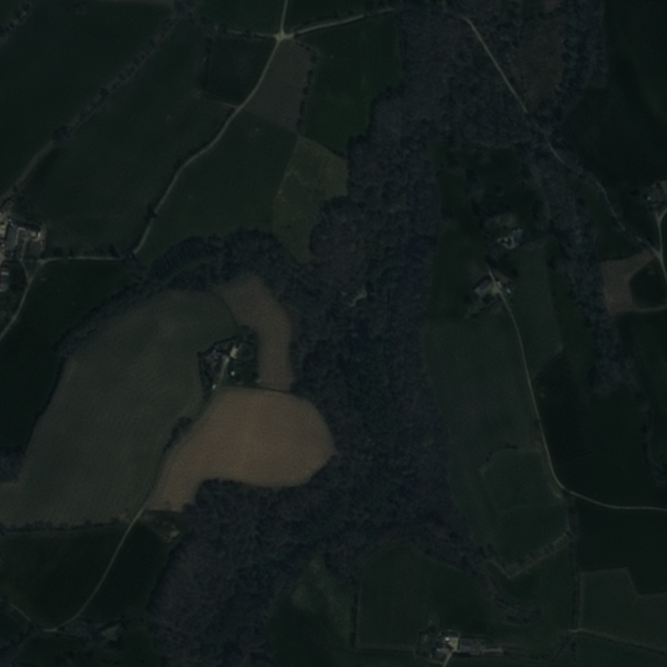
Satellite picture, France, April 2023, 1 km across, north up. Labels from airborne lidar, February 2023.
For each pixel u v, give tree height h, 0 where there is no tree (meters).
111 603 0
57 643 0
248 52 0
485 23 20
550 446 0
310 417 0
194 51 0
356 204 16
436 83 27
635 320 0
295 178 0
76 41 0
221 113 0
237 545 23
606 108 0
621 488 0
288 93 0
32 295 0
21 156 0
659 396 0
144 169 0
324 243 18
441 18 23
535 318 0
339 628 0
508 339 0
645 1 0
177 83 0
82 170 0
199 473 0
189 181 0
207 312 0
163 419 0
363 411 44
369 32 0
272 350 0
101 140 0
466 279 0
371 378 42
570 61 14
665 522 0
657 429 0
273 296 9
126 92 0
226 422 0
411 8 19
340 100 0
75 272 0
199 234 0
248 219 0
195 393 0
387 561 0
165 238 0
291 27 0
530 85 0
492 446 0
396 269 15
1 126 0
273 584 21
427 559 9
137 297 8
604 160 0
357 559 7
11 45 0
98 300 0
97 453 0
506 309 9
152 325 0
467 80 18
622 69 0
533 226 0
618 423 0
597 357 13
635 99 0
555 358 0
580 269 24
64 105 0
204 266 19
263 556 20
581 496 0
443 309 0
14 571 0
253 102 0
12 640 0
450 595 0
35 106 0
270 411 0
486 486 0
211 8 0
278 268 21
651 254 11
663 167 0
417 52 19
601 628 0
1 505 0
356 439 19
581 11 25
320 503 18
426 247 25
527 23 6
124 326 0
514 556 0
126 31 0
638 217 0
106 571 0
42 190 0
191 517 20
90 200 0
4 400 0
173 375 0
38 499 0
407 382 21
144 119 0
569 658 0
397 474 29
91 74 0
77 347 7
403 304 23
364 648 0
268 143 0
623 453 0
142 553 0
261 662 20
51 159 0
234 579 16
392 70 0
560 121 14
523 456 0
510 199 0
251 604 19
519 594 0
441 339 0
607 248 0
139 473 0
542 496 0
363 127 0
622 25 0
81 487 0
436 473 20
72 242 0
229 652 20
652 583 0
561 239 17
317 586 0
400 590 0
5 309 0
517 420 0
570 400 0
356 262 19
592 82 16
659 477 17
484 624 0
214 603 21
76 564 0
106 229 0
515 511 0
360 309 7
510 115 26
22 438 0
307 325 19
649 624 0
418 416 20
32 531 11
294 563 23
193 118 0
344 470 15
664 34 0
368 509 8
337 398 16
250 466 0
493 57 15
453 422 0
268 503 9
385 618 0
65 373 8
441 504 18
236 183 0
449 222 18
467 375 0
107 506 0
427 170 18
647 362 0
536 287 0
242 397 0
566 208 25
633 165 0
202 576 22
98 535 0
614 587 0
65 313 0
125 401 0
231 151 0
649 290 0
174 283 21
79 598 0
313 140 0
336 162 0
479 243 0
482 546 0
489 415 0
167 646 21
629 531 0
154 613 22
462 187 0
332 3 0
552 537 0
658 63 0
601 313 22
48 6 0
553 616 0
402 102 22
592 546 0
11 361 0
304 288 12
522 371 0
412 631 0
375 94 0
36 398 0
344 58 0
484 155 18
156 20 0
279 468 0
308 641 0
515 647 0
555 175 27
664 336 0
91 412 0
